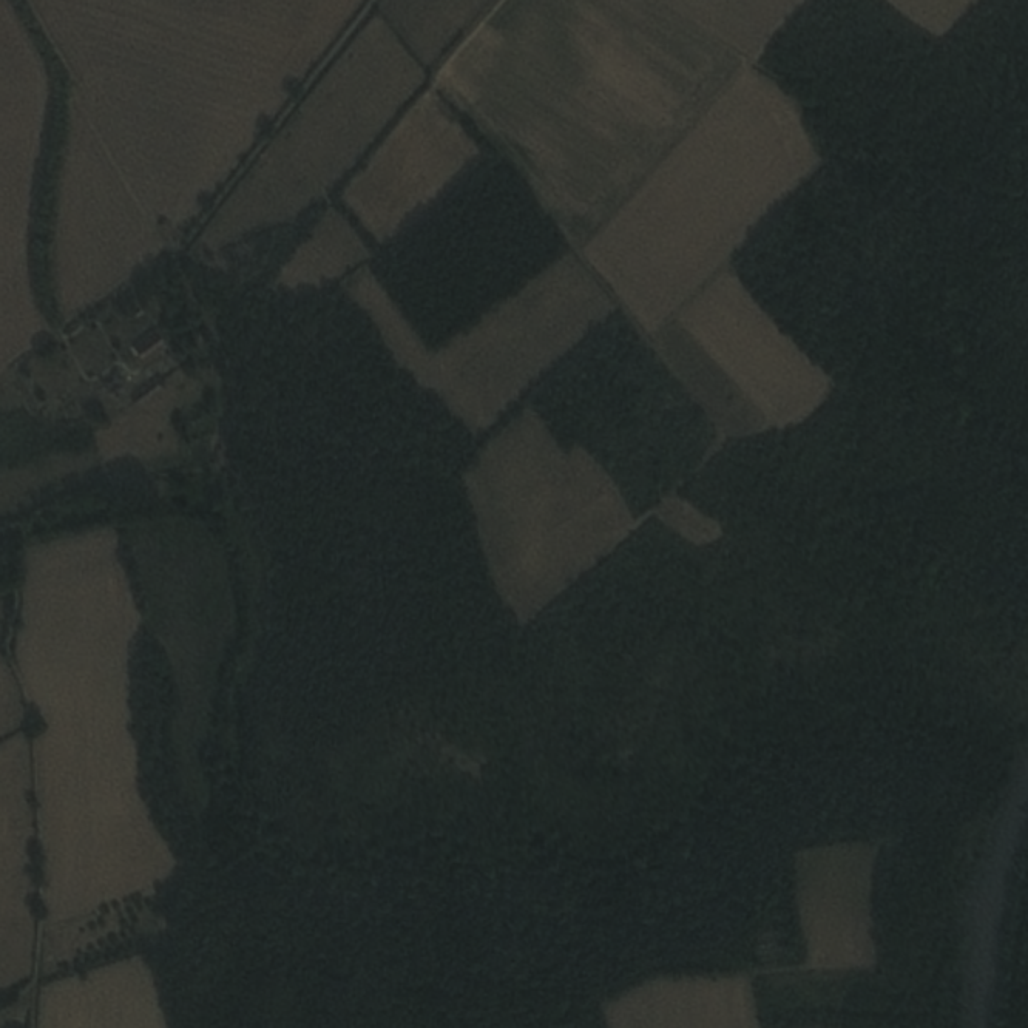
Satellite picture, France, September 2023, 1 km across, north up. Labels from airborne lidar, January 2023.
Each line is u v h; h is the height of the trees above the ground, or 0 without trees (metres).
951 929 26
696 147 0
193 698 0
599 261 0
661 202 0
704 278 0
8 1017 0
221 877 19
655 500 8
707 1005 0
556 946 18
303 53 0
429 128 0
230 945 19
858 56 15
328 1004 21
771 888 16
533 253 20
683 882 28
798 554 13
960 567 7
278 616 20
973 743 19
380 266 12
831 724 25
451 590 17
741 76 0
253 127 0
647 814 17
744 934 11
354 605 18
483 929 22
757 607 12
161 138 0
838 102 17
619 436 6
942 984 22
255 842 15
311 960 21
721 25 0
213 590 0
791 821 16
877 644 20
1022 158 23
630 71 0
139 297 10
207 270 9
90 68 0
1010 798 0
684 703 14
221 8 0
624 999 0
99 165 0
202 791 0
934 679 22
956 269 22
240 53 0
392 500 13
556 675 7
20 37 0
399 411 18
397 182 0
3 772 0
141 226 0
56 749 0
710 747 21
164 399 0
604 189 0
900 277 18
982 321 18
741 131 0
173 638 0
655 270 0
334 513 14
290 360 18
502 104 0
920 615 13
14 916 0
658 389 6
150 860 0
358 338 14
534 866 15
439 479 15
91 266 0
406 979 20
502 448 0
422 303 19
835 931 0
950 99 20
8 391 0
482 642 14
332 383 18
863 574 20
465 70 0
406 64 0
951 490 14
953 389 25
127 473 0
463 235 19
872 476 9
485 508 0
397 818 22
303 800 15
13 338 0
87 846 0
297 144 0
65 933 0
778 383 0
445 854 18
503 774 9
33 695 0
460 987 23
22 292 0
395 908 22
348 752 10
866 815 15
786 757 17
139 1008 0
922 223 22
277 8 0
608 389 11
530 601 0
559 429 11
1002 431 27
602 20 0
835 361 17
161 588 0
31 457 6
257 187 0
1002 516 11
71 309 0
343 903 22
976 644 6
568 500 0
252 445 13
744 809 23
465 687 13
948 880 14
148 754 16
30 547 0
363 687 13
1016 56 15
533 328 0
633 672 8
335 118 0
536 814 14
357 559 15
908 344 22
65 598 0
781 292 13
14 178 0
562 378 14
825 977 0
